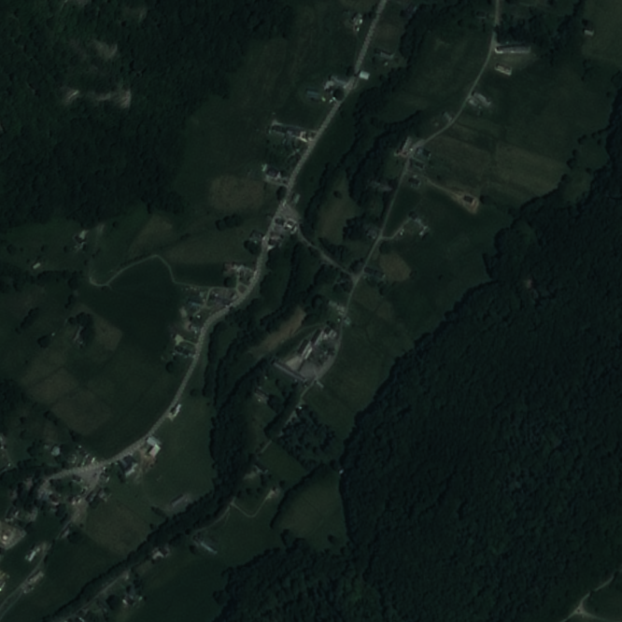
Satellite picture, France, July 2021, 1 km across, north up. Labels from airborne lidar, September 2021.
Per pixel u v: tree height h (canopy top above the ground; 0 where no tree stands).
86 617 6
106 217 30
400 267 0
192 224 0
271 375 17
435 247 0
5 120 26
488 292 25
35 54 26
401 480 28
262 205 0
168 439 0
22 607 0
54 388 0
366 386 0
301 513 0
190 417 0
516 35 37
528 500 24
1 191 21
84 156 26
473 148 0
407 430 35
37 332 0
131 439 0
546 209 18
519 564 23
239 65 23
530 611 19
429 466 25
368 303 0
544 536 23
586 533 12
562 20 10
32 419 0
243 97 0
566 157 0
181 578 0
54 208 26
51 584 0
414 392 37
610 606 0
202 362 0
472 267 0
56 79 17
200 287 0
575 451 27
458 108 0
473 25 6
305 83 0
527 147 0
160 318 0
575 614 0
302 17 0
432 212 0
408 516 11
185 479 0
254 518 0
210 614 0
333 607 8
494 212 0
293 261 17
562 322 30
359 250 0
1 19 21
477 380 27
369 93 18
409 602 29
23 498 16
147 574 0
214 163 0
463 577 19
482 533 25
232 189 0
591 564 9
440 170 0
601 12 0
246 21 27
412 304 0
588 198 10
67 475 0
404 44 14
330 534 0
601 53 0
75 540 19
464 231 0
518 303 12
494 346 25
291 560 31
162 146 25
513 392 23
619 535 7
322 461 7
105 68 10
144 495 0
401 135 21
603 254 27
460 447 33
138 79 28
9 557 0
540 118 0
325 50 0
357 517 30
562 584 15
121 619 0
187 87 29
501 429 20
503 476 22
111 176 28
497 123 0
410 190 0
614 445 13
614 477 23
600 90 0
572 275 31
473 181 0
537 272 31
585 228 32
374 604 9
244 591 37
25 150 28
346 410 0
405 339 0
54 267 0
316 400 0
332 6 0
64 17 15
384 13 0
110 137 29
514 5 29
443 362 33
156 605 0
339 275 6
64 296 0
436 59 0
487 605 21
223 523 0
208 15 24
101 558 0
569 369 29
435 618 32
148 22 28
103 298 0
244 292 0
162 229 0
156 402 0
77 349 0
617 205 30
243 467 27
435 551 26
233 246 0
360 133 14
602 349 27
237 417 19
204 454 0
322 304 13
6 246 12
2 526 0
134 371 0
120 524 0
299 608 17
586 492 20
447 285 0
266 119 0
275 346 0
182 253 0
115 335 0
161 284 0
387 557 27
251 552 0
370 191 16
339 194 16
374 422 36
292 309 11
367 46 0
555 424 20
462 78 0
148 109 24
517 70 0
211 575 0
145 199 23
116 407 0
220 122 0
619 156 26
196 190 0
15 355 0
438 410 31
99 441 0
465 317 24
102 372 0
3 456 0
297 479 0
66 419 0
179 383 0
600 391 27
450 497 26
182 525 22
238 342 17
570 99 0
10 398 22
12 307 0
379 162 20
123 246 0
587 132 0
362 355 0
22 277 20
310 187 0
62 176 20
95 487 0
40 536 0
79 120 25
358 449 24
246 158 0
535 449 24
